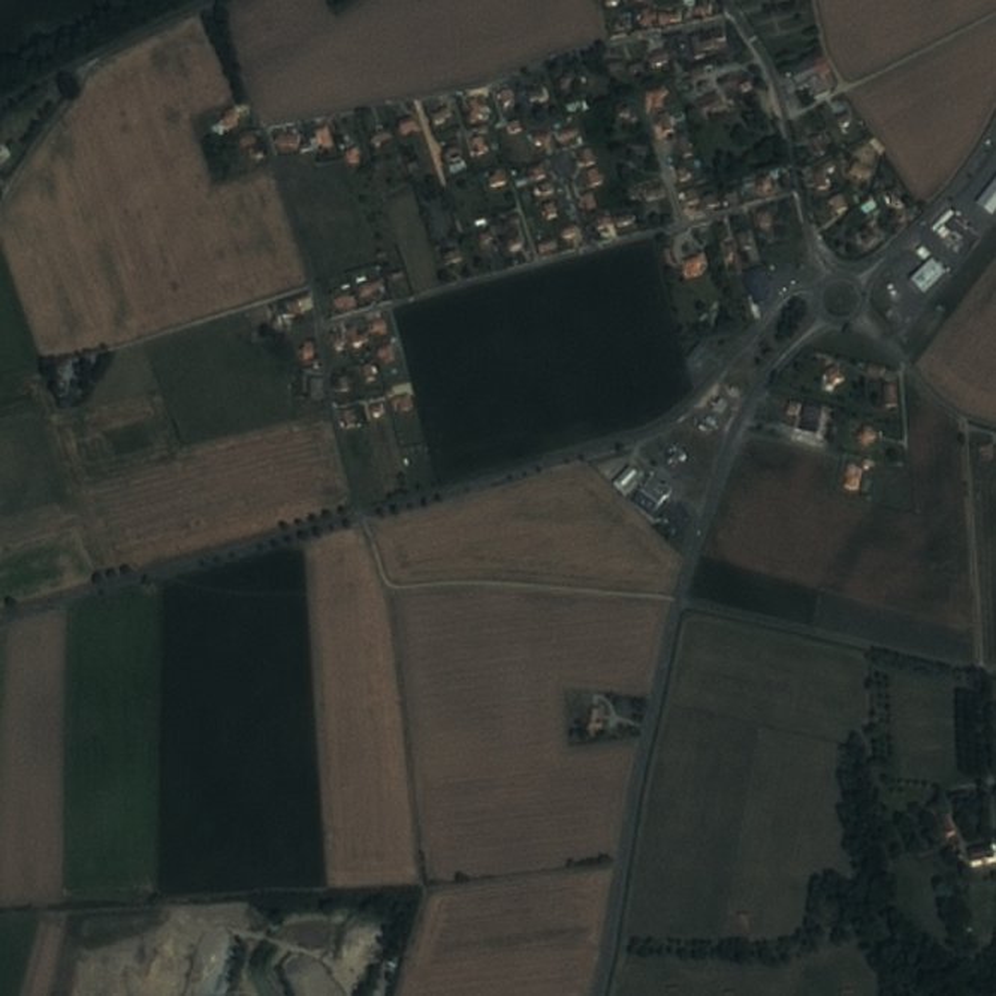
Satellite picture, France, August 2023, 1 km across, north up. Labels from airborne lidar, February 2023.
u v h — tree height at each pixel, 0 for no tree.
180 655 0
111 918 0
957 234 0
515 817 0
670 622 0
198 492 0
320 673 0
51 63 13
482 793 0
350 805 0
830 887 16
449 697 0
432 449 0
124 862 0
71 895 0
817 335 0
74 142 0
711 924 0
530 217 0
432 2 0
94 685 0
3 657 0
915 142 0
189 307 0
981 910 0
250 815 0
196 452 0
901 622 0
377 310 0
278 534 0
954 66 0
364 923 0
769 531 0
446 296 0
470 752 0
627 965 0
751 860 0
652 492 0
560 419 0
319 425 0
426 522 0
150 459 0
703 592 0
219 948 0
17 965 0
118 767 0
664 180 0
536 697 0
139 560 0
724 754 0
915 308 0
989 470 0
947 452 0
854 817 19
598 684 0
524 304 0
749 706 0
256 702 0
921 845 18
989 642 0
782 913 0
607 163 0
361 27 0
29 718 0
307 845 0
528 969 0
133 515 0
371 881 0
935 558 0
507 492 0
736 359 0
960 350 0
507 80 0
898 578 0
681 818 0
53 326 0
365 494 0
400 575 0
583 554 0
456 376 0
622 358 0
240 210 0
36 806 0
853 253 12
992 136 0
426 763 0
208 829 0
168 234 0
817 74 0
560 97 7
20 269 0
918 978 10
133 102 0
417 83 0
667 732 0
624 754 0
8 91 14
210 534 0
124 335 0
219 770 0
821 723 0
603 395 0
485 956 0
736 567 0
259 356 0
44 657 0
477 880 0
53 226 0
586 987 0
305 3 0
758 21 0
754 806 0
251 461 0
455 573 0
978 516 0
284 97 0
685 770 0
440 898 0
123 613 0
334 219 0
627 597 0
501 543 0
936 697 0
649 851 0
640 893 0
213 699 0
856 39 0
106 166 0
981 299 0
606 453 0
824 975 0
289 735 0
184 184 0
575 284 0
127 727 0
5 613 0
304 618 0
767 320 0
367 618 0
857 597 0
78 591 0
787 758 0
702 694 0
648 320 0
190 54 0
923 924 0
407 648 0
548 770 0
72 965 0
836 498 0
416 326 0
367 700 0
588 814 0
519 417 0
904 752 0
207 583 0
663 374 0
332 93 0
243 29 0
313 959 0
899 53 0
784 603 0
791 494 0
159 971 0
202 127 0
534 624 0
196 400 0
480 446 0
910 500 0
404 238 0
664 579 0
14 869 0
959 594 0
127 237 0
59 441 0
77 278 0
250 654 0
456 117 0
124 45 0
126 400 0
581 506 0
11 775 0
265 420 0
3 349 0
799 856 0
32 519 0
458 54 0
